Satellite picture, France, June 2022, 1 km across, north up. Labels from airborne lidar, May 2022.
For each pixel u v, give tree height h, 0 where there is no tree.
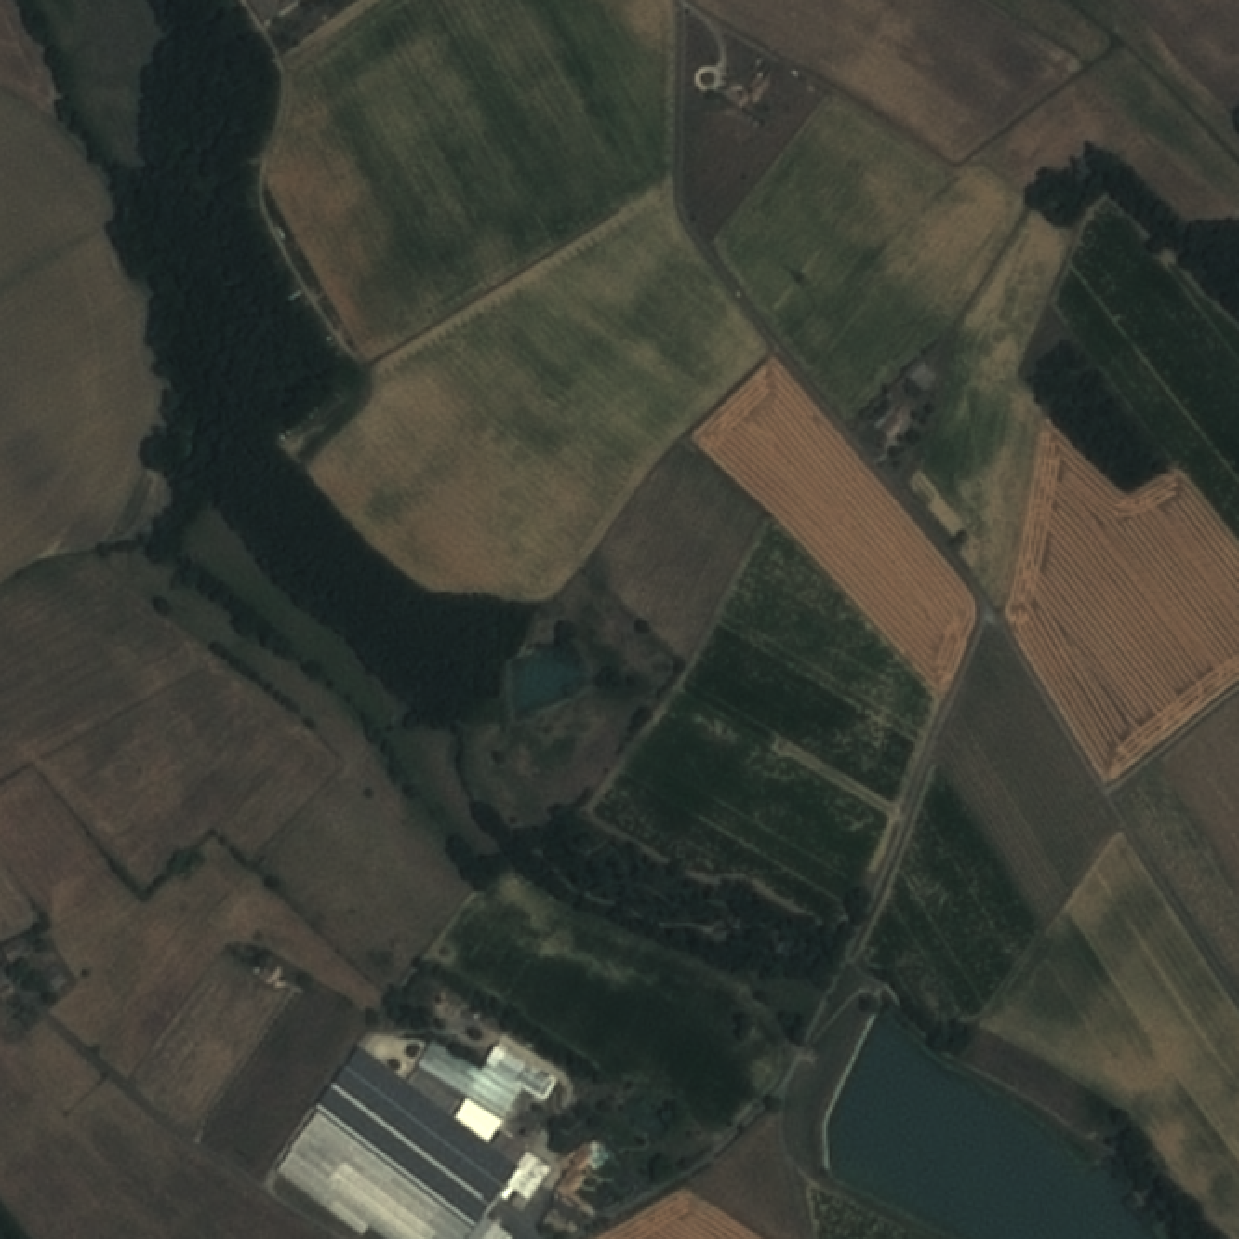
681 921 23
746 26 0
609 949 0
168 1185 0
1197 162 0
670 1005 0
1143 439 9
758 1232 0
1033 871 0
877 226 0
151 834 0
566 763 0
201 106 29
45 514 0
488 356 0
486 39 0
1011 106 0
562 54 0
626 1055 0
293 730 0
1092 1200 0
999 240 0
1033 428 0
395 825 0
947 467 0
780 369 0
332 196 0
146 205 17
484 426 0
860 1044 0
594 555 0
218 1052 0
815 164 0
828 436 0
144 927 0
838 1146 0
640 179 0
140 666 0
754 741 0
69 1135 0
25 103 0
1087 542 0
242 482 21
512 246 0
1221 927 0
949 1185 0
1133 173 10
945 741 0
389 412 0
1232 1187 0
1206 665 0
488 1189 0
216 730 0
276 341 22
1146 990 0
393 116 0
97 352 0
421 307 0
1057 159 0
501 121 0
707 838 0
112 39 0
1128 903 0
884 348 0
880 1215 0
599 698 0
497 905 0
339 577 16
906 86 0
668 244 0
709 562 0
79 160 0
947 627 0
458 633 13
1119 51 0
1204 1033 0
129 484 0
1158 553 0
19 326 0
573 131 0
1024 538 0
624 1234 0
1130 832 0
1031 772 0
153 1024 0
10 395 0
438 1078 0
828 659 0
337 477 0
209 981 0
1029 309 0
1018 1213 0
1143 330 0
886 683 0
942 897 0
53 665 0
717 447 0
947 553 0
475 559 0
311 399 16
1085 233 0
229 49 23
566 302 0
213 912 0
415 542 0
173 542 21
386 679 18
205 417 15
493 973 0
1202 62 0
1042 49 0
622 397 0
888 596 0
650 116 0
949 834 0
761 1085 0
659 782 0
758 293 0
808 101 0
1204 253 15
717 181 0
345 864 0
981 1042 0
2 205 0
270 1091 0
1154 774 0
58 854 0
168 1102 0
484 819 18
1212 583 0
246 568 0
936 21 0
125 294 0
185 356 19
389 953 0
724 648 0
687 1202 0
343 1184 0
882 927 0
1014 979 0
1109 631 0
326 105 0
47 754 0
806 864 0
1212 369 0
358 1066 0
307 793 0
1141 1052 0
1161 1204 24
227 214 22
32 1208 0
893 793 0
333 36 0
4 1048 0
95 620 0
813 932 17
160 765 0
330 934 0
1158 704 0
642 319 0
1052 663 0
